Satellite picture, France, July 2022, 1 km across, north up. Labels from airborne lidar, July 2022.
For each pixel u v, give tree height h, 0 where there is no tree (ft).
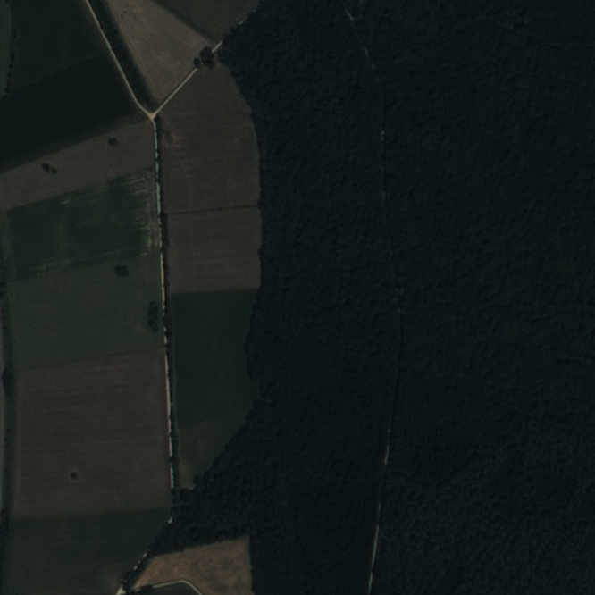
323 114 62
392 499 45
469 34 59
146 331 0
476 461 83
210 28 0
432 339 63
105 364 0
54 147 0
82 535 0
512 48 59
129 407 0
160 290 0
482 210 50
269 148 50
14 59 38
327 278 74
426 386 43
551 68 66
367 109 61
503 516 38
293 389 51
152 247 0
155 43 0
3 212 0
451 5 68
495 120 58
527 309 47
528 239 79
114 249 0
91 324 0
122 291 0
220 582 0
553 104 55
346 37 52
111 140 29
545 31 60
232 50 52
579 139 68
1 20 0
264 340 58
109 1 0
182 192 0
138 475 0
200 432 0
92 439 0
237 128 0
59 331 0
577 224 58
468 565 84
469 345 67
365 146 60
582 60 73
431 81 57
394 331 61
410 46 51
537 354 81
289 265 70
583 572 99
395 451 42
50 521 0
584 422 70
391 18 66
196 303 0
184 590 0
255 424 56
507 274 71
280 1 91
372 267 63
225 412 0
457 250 75
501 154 49
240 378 0
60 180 0
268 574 70
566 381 71
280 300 47
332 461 28
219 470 24
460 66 67
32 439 0
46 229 0
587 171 80
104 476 0
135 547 0
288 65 69
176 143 0
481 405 37
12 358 0
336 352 52
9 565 0
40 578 0
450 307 68
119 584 0
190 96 0
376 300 76
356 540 48
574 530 92
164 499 0
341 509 45
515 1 61
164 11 0
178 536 74
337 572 55
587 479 92
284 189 57
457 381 54
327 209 66
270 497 41
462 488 97
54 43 0
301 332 57
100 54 0
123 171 0
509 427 57
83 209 0
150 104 18
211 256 0
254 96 76
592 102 63
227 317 0
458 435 25
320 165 53
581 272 73
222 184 0
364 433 39
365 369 57
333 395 41
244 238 0
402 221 61
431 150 65
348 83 39
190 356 0
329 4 67
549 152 63
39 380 0
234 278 0
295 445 59
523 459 78
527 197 85
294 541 55
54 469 0
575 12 55
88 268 0
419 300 85
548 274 66
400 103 80
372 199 58
